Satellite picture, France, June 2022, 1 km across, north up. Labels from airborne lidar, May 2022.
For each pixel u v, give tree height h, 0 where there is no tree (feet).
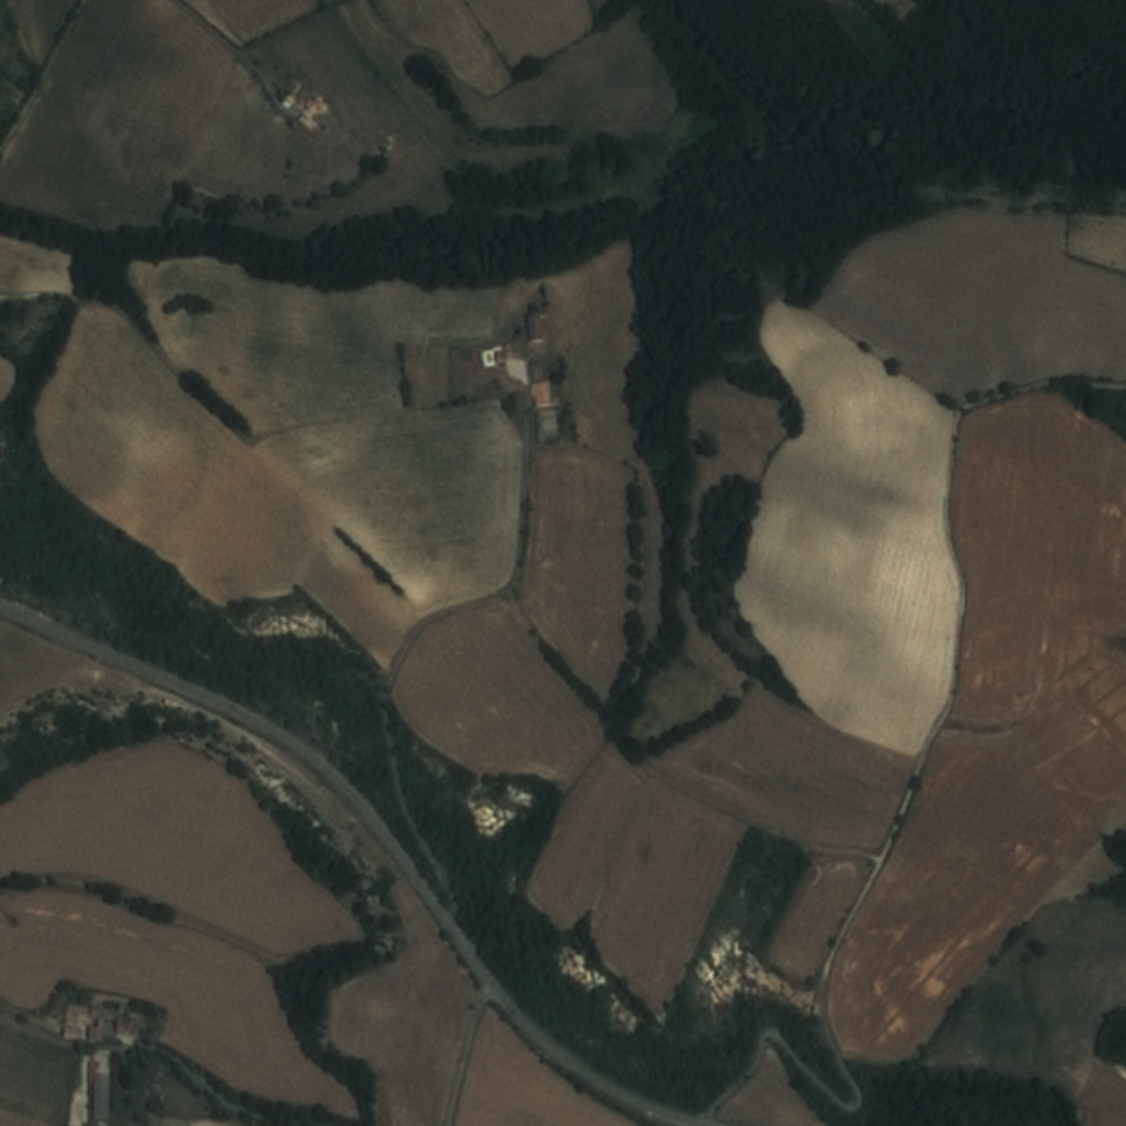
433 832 42
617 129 0
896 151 83
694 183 83
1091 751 0
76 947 0
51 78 0
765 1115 0
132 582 28
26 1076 0
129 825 0
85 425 0
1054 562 0
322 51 0
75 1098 0
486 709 0
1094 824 0
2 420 36
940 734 0
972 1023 0
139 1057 30
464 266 84
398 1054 0
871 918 0
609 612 0
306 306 0
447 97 44
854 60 45
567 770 0
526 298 0
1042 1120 29
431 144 0
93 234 39
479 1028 0
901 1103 21
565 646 0
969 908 0
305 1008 36
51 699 21
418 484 0
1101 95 78
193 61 0
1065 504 0
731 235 32
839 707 0
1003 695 0
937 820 0
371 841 0
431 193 0
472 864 42
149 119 0
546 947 18
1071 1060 0
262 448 0
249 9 0
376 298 0
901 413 0
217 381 0
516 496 0
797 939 0
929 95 77
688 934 0
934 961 0
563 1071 24
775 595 0
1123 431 23
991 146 74
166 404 0
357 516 0
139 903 43
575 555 0
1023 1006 0
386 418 0
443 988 0
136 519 0
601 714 31
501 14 0
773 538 0
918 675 0
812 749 0
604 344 0
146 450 0
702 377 53
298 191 0
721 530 45
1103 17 53
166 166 0
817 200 68
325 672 24
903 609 0
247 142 0
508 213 0
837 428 0
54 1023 0
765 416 0
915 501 0
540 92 0
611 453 0
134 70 0
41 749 33
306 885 0
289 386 0
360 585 0
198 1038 0
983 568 0
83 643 0
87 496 0
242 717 0
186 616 35
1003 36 67
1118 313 0
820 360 0
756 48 53
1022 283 0
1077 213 26
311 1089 0
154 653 36
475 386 0
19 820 0
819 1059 26
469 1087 0
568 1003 32
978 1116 26
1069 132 75
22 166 0
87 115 0
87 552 29
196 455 0
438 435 0
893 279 0
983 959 0
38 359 37
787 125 104
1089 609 0
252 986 0
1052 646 0
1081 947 0
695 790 0
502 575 0
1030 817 0
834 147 84
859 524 0
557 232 83
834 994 0
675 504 94
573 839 0
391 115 0
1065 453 0
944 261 0
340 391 0
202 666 22
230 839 0
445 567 0
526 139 50
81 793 0
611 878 0
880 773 0
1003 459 0
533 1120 0
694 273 74
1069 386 40
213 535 0
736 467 0
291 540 0
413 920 0
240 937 0
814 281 52
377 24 0
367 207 0
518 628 0
